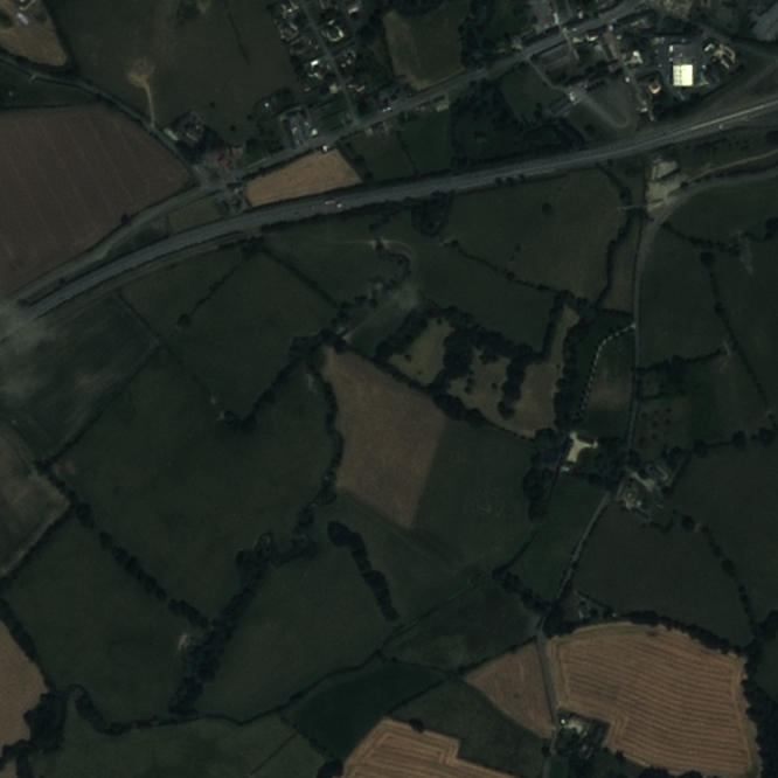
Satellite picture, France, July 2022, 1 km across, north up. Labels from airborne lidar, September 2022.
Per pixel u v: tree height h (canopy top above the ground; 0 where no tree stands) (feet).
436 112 0
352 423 0
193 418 0
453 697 0
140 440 0
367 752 0
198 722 0
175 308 0
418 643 0
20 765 30
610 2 0
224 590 0
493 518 0
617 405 0
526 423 0
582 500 0
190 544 0
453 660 0
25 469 0
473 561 0
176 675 0
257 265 0
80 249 0
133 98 0
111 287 0
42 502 0
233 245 20
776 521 0
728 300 0
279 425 0
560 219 0
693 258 0
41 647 0
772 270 0
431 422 0
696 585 0
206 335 0
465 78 0
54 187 0
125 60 0
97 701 0
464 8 0
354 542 63
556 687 0
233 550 0
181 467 0
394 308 0
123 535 0
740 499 0
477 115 43
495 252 0
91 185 0
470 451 0
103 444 0
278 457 0
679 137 0
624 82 0
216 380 0
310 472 0
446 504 0
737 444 58
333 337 46
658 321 0
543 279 0
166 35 0
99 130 0
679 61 0
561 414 49
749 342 0
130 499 0
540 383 0
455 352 21
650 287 0
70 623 0
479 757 0
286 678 0
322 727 0
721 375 0
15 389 0
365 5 0
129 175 0
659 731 0
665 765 0
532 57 27
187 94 0
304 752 0
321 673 0
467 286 0
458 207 0
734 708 0
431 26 0
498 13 0
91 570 0
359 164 47
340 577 0
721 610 0
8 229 0
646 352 0
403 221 0
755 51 0
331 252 0
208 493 0
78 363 0
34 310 0
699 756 0
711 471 0
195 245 0
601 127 0
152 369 0
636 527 0
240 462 0
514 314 0
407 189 0
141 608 0
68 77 51
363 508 0
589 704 0
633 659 0
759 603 0
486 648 0
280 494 0
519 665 0
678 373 28
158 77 0
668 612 0
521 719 0
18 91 0
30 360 0
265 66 0
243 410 0
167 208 0
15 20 0
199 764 0
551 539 0
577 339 42
